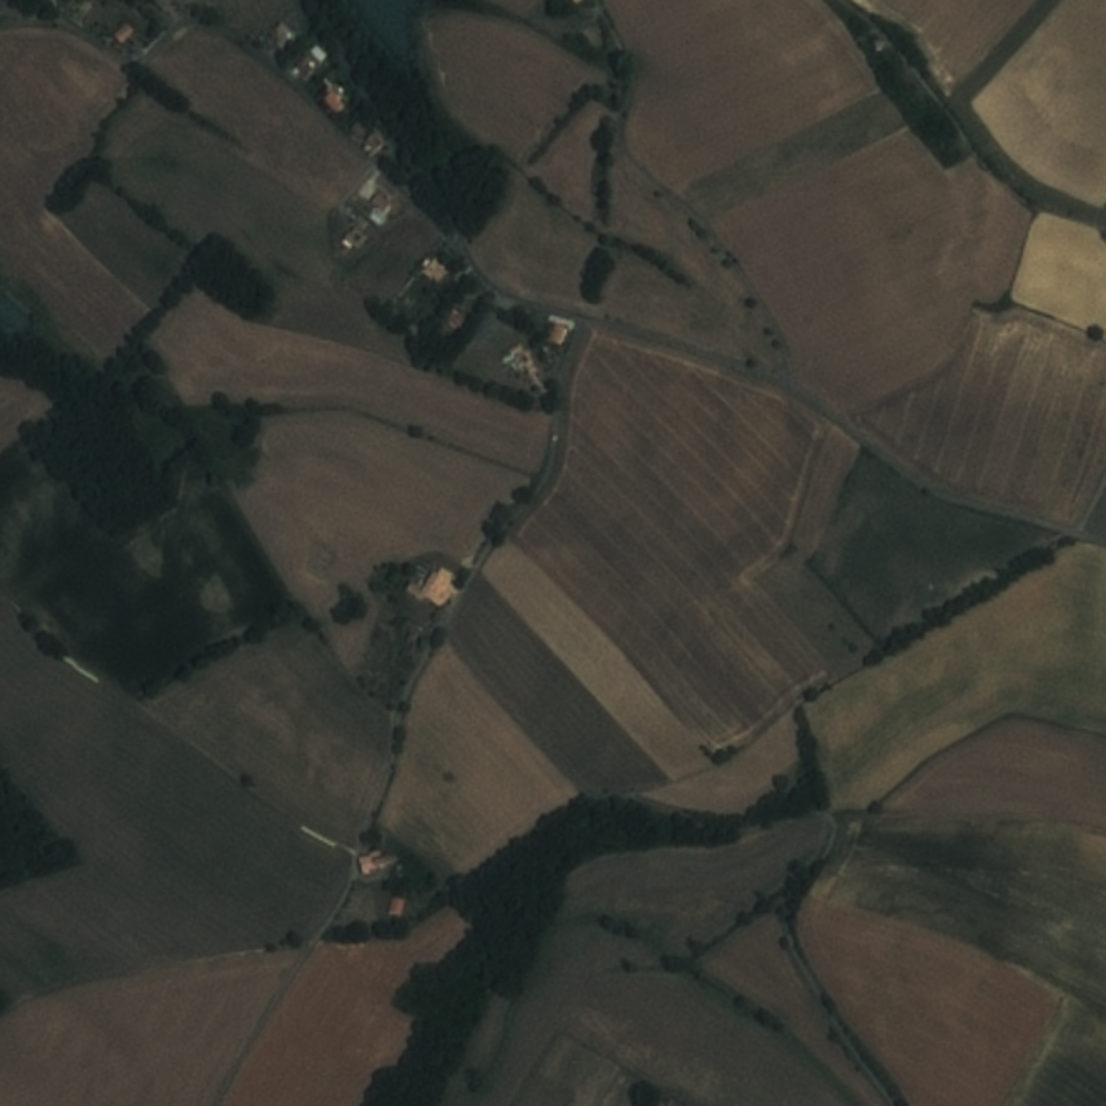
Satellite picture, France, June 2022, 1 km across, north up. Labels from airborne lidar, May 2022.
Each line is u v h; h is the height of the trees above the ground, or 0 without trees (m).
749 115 0
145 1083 0
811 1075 0
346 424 0
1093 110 0
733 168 0
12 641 0
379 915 0
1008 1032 0
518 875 18
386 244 0
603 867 0
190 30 0
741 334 0
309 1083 0
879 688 0
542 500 0
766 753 0
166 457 0
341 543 0
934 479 0
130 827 0
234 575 0
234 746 0
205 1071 0
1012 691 0
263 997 0
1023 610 0
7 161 0
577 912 0
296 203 0
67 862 6
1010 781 0
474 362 0
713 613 0
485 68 0
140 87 14
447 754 0
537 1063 0
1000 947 0
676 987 0
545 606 0
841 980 0
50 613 0
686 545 0
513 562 0
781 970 0
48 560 0
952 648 0
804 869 21
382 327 9
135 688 0
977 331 0
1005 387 0
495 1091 0
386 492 0
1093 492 0
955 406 0
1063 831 0
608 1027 0
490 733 0
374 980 0
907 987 0
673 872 0
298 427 0
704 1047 0
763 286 0
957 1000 0
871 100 0
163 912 0
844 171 0
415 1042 12
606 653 0
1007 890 0
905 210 0
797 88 0
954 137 6
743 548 0
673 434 0
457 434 0
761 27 0
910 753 0
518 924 22
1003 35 0
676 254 0
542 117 0
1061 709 0
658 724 0
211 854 0
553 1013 0
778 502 0
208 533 0
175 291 15
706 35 0
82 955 0
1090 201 0
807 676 0
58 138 0
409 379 0
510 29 0
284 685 0
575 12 10
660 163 0
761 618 0
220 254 18
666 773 0
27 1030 0
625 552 0
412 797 0
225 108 0
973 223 0
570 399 0
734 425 0
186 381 0
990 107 0
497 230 0
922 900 0
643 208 0
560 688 0
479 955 18
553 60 0
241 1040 0
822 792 14
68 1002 0
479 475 0
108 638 0
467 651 0
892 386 0
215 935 0
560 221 0
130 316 0
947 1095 0
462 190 24
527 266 0
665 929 0
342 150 0
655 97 0
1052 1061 0
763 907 13
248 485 0
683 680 0
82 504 15
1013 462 0
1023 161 0
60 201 14
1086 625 0
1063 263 0
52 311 0
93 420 21
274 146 0
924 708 0
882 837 0
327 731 0
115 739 0
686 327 0
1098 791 0
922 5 0
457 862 0
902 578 0
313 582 0
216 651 17
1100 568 0
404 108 14
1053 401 0
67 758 0
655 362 0
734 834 10
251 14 0
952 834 0
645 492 0
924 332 0
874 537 0
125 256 0
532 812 0
